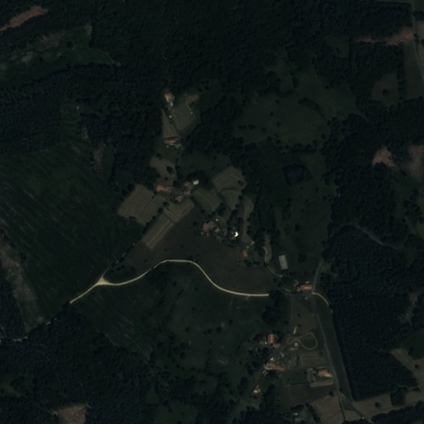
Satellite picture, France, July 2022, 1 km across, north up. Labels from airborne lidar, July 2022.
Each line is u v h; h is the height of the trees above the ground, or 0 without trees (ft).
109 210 0
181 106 0
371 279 66
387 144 123
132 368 40
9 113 36
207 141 71
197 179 24
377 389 93
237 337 0
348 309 82
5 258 0
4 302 87
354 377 85
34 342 81
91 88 89
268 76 45
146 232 37
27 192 0
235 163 44
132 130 71
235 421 34
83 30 0
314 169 0
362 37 49
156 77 66
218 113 36
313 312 0
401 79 59
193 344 0
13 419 110
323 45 50
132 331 0
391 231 57
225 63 63
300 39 87
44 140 74
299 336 0
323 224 0
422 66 0
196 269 0
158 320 24
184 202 0
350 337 94
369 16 59
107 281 0
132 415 77
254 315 0
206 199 0
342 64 52
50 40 0
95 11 72
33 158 0
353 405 0
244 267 0
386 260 42
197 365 0
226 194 0
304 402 0
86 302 0
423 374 0
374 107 43
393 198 52
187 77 67
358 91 39
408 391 42
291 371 0
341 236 86
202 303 0
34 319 0
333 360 0
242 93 47
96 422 95
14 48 61
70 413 0
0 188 0
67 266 0
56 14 81
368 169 78
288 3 21
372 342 69
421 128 28
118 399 102
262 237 46
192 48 52
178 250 0
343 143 38
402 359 0
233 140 54
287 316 0
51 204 0
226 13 62
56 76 82
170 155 0
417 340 0
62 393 64
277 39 61
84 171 0
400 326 67
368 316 63
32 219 0
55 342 64
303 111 0
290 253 0
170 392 24
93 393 69
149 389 44
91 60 0
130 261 0
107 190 0
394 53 20
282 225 0
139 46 70
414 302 0
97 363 87
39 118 73
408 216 41
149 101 53
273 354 0
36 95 77
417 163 0
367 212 78
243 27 46
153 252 0
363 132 111
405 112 22
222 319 0
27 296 0
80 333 63
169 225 0
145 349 0
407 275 99
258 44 56
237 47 45
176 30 34
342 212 94
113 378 56
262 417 99
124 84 103
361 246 97
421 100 48
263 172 25
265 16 43
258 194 35
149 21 81
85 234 0
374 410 0
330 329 0
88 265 0
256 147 81
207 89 64
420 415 61
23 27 69
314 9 31
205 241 0
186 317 0
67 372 96
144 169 58
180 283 0
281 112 0
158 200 0
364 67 39
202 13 88
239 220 48
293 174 71
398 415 80
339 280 41
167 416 0
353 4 53
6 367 61
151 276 33
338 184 66
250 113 0
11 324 71
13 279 0
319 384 0
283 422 62
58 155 0
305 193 0
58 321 65
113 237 0
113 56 49
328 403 0
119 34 56
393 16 94
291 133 0
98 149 79
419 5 0
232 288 0
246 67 51
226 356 0
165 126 0
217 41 54
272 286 0
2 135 55
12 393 0
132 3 85
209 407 60
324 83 0
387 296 65
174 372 0
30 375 30
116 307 0
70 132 0
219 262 0
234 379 0
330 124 48
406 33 0
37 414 104
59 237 0
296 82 60
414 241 57
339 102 0
